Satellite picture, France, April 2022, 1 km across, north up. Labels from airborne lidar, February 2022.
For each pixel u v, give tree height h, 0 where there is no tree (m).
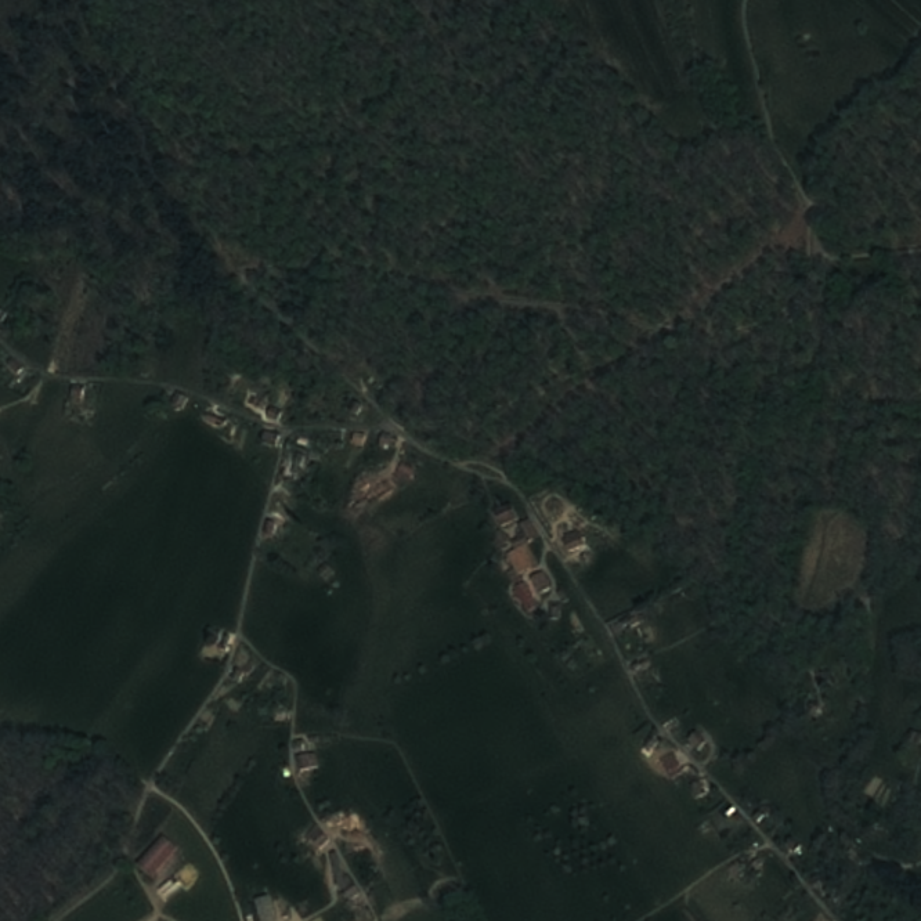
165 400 10
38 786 33
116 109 12
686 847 0
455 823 0
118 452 0
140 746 0
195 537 0
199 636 0
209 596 0
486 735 0
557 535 0
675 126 0
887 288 28
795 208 30
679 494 30
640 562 0
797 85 0
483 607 0
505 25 29
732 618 27
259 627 0
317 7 29
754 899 0
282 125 28
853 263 17
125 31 25
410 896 0
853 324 32
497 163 26
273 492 0
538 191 27
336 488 0
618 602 0
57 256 17
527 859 0
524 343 29
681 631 0
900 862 0
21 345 0
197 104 28
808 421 29
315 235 26
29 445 0
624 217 28
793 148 0
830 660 0
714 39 0
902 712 0
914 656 25
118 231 27
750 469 25
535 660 12
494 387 30
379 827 0
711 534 30
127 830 25
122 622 0
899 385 29
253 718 0
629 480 30
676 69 0
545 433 25
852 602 18
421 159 26
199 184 27
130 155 19
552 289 26
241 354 25
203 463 0
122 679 0
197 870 0
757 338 18
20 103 14
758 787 0
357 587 0
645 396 31
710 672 0
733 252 17
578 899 0
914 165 27
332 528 0
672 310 22
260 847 0
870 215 29
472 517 0
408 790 0
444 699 0
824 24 0
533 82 30
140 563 0
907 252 0
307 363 29
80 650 0
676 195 31
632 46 0
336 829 0
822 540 0
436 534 0
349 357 25
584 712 0
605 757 0
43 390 0
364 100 25
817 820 0
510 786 0
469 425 30
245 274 0
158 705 0
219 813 7
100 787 31
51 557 0
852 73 0
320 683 0
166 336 25
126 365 26
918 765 0
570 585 0
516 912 0
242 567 0
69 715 0
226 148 30
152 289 25
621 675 0
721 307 24
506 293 6
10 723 0
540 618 11
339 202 28
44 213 25
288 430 0
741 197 29
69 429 0
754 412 25
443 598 0
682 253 28
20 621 0
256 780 0
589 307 8
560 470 30
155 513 0
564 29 26
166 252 20
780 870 0
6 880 31
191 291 26
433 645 0
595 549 0
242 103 26
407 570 0
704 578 26
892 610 0
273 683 0
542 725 0
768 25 0
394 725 0
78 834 35
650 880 0
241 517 0
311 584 0
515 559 0
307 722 0
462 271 27
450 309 32
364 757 0
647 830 0
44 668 0
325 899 0
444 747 0
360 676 0
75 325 0
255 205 28
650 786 0
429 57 30
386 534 0
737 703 0
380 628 0
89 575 0
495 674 0
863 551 0
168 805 0
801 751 0
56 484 0
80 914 0
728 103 24
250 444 0
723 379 32
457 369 21
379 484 0
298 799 8
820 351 16
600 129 28
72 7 22
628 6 0
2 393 0
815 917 0
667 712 0
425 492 0
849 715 0
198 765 0
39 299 23
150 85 29
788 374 31
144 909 0
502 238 30
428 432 27
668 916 0
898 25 0
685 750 0
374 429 0
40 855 33
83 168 23
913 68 24
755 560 21
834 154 27
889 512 30
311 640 0
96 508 0
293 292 26
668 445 29
